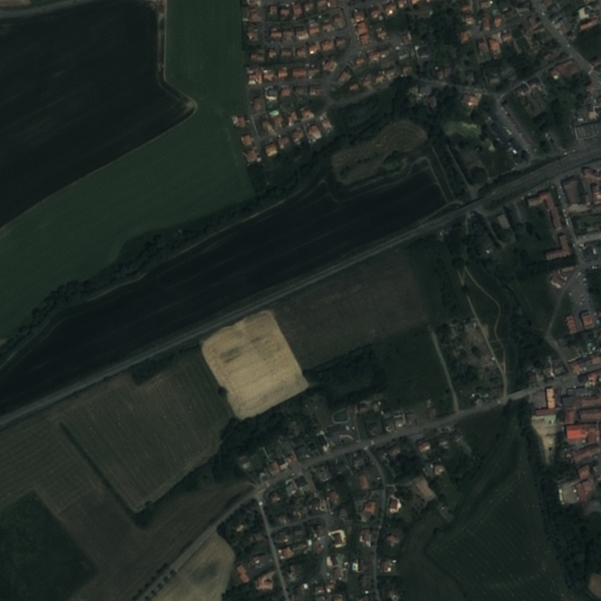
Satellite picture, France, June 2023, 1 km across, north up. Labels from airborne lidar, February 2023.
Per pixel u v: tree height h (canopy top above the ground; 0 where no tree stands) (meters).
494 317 0
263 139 0
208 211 0
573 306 0
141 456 0
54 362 0
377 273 0
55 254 0
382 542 7
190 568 0
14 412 0
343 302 0
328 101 0
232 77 0
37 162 0
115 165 0
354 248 0
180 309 0
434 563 0
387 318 0
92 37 0
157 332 0
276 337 0
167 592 0
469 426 0
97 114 0
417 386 0
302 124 0
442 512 0
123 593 0
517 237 11
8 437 0
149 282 0
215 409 0
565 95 0
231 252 0
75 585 0
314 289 0
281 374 0
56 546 0
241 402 0
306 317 0
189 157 0
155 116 0
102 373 0
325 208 0
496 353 0
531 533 0
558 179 0
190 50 0
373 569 0
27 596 0
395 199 0
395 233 0
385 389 7
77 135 0
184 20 0
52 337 0
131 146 0
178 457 0
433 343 0
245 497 0
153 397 0
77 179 0
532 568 0
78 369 0
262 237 0
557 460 7
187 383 0
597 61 0
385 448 6
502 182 9
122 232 0
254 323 0
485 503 0
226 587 0
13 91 0
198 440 0
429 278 0
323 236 0
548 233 0
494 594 0
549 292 0
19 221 0
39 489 0
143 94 0
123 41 0
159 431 0
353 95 0
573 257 8
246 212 11
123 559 0
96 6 0
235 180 0
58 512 0
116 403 0
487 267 17
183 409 0
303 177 12
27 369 0
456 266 16
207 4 0
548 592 0
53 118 0
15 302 0
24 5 0
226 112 0
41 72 0
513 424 0
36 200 0
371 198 0
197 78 0
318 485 12
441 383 0
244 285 0
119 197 0
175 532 0
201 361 0
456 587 0
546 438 0
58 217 0
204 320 0
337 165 0
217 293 0
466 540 0
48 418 0
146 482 0
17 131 0
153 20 0
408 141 0
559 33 0
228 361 0
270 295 0
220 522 0
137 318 0
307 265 0
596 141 0
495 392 0
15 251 0
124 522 0
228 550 0
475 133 0
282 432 15
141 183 0
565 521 18
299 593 0
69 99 0
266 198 12
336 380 7
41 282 0
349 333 0
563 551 6
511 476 0
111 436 0
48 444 0
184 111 0
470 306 0
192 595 0
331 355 0
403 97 7
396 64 7
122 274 12
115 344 0
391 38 0
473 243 18
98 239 0
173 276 0
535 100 0
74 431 0
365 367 16
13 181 0
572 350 0
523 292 0
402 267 0
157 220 0
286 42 0
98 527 0
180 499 0
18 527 0
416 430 0
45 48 0
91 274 0
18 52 0
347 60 0
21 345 0
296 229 0
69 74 0
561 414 16
